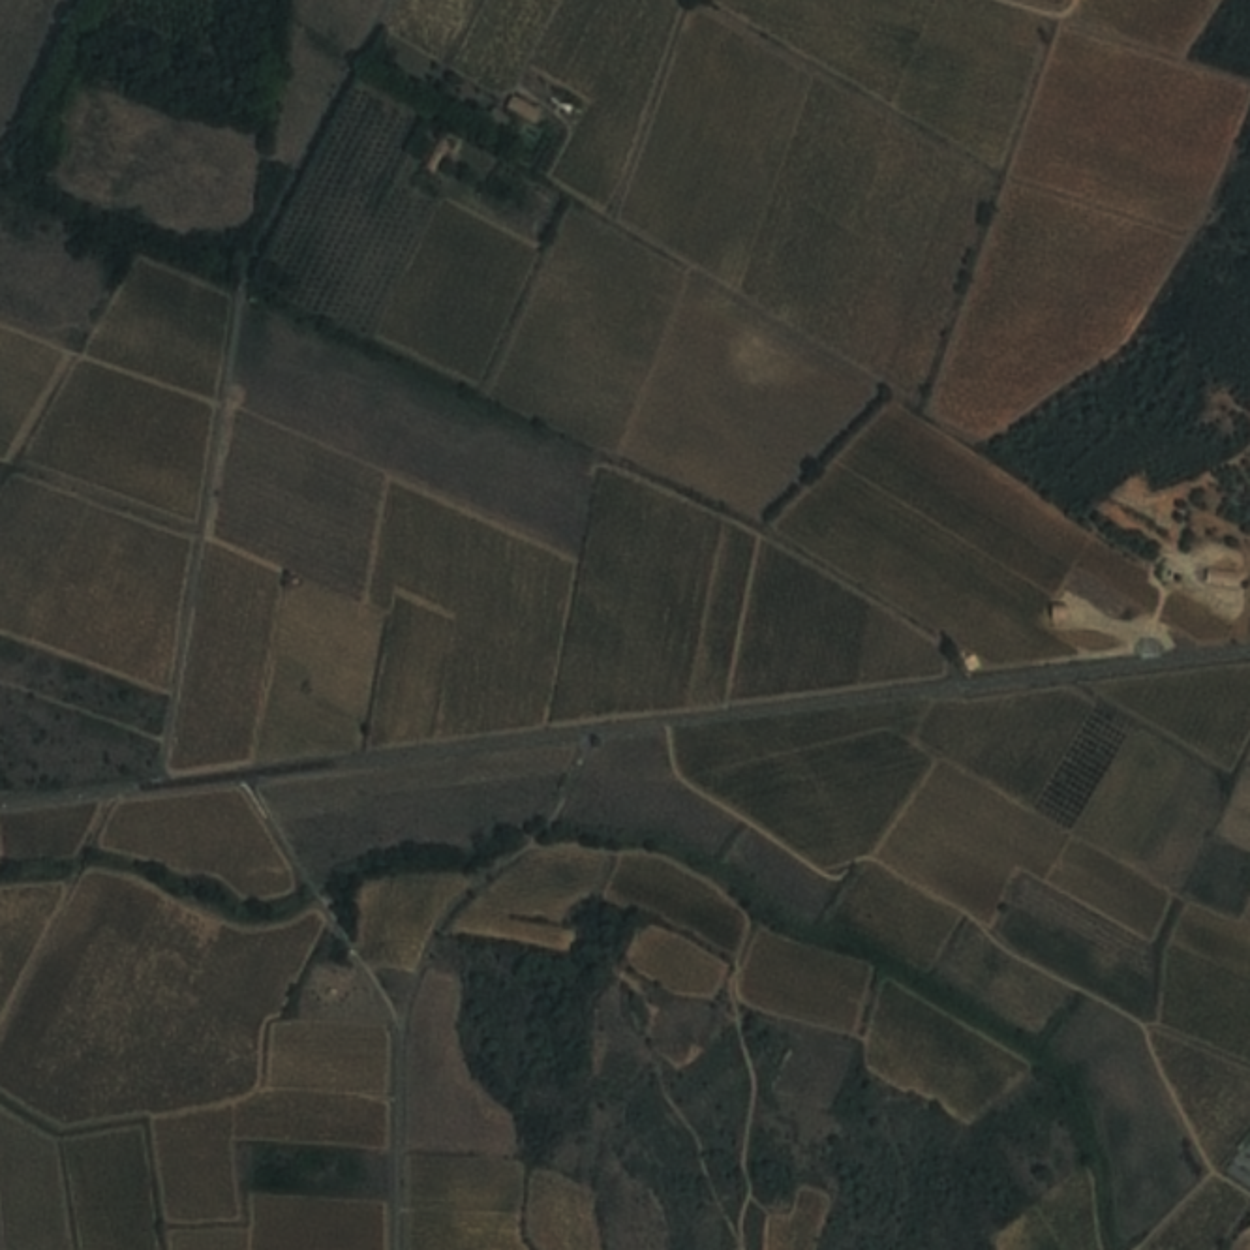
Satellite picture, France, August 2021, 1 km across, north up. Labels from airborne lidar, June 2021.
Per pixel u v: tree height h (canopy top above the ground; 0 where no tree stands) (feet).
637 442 0
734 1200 0
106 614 0
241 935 0
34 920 0
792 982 0
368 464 0
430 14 0
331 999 0
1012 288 0
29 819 0
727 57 0
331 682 0
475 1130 0
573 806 0
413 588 0
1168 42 0
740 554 0
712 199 0
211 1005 0
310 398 0
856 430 30
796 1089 0
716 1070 0
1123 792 0
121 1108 0
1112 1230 23
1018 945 0
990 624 0
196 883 33
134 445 0
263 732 0
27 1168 0
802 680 0
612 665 0
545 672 0
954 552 0
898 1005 0
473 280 0
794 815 0
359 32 0
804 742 0
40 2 0
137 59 73
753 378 0
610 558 0
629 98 0
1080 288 0
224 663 0
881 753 0
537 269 0
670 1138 0
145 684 0
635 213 0
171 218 0
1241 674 0
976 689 0
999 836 0
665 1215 0
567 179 0
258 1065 0
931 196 0
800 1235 0
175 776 0
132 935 0
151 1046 0
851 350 0
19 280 0
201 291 0
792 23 0
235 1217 0
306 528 0
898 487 0
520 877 0
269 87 64
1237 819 0
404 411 0
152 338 0
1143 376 35
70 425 0
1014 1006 0
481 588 0
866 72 0
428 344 0
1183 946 0
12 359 0
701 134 0
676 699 0
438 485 0
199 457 0
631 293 0
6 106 0
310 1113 0
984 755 0
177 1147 0
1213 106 0
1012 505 0
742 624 0
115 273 31
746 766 0
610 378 0
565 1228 0
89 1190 0
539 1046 32
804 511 0
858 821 0
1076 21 0
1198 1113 0
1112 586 0
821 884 0
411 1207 0
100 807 0
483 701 0
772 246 0
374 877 30
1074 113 0
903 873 0
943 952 0
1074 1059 0
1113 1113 0
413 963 0
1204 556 0
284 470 0
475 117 67
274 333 0
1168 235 0
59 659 0
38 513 0
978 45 0
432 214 0
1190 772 0
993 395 0
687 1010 0
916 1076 0
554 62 0
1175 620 0
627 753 0
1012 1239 0
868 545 0
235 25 46
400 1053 0
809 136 0
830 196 0
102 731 0
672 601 0
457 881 0
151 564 0
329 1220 0
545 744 0
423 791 0
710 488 0
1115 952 0
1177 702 0
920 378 0
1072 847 0
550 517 0
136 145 0
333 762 0
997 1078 0
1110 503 0
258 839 0
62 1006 0
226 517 0
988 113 0
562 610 0
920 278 0
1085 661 0
